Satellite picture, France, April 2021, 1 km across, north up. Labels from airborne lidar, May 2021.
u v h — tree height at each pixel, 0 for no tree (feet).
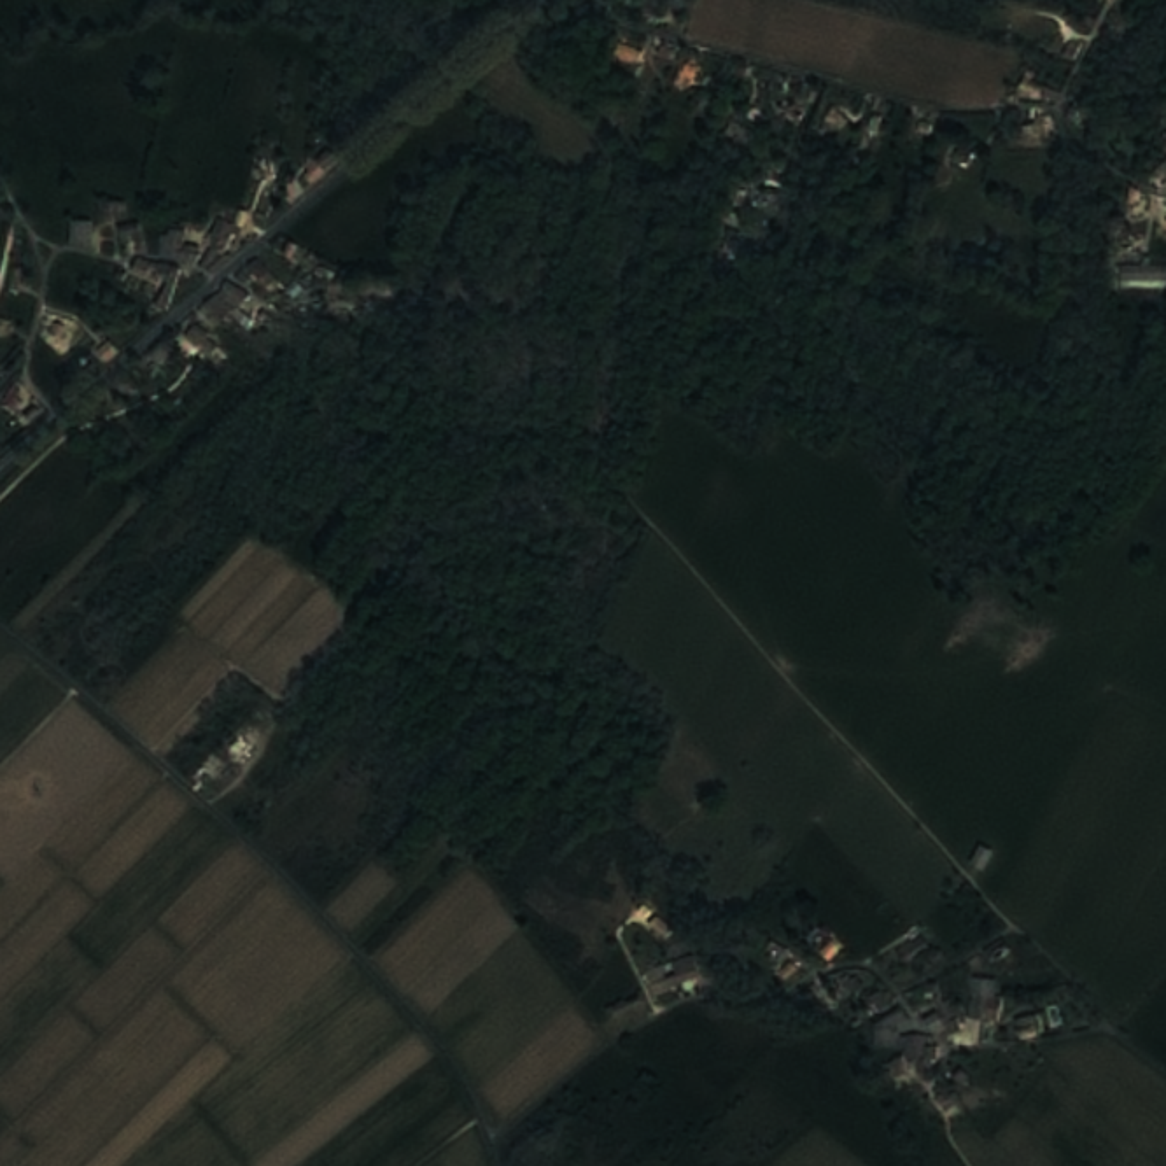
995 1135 0
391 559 65
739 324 54
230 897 0
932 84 0
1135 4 53
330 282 23
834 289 70
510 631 73
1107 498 63
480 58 121
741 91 46
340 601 53
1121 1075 0
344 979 0
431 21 98
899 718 0
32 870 0
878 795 0
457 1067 0
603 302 69
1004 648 0
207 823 0
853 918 0
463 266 62
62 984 0
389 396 50
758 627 0
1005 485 76
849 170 78
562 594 45
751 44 0
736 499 0
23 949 0
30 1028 0
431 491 80
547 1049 0
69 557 0
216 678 0
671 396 65
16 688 0
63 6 0
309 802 0
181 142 0
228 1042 0
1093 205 94
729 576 0
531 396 59
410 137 91
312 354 50
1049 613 0
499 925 0
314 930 0
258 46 0
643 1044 0
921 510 58
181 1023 0
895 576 0
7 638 0
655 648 0
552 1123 23
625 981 0
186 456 48
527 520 67
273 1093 0
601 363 47
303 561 0
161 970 0
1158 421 68
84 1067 0
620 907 0
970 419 56
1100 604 0
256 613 0
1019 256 50
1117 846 0
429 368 75
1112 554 0
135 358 42
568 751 79
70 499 0
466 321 75
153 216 61
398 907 0
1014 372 40
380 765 45
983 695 0
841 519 0
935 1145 0
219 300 0
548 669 58
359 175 84
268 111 0
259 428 39
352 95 47
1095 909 0
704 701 0
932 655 0
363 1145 0
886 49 0
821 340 87
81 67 0
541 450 58
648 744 51
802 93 38
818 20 0
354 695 66
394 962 0
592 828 49
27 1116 0
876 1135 0
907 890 0
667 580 0
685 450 0
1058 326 52
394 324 69
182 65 0
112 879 0
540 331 66
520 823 47
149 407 25
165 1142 0
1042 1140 0
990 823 0
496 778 80
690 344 50
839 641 0
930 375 81
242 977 0
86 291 35
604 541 0
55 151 0
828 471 0
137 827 0
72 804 0
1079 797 0
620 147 70
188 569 27
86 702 0
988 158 57
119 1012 0
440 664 77
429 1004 0
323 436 52
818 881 0
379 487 82
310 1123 0
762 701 0
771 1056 0
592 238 60
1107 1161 0
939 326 21
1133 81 88
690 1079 0
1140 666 0
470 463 67
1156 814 0
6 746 0
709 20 0
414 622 77
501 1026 0
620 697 56
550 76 83
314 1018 0
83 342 0
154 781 0
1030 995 35
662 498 0
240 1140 0
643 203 69
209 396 42
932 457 73
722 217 65
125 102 0
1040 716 0
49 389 0
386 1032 0
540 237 38
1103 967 0
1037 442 73
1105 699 0
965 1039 0
